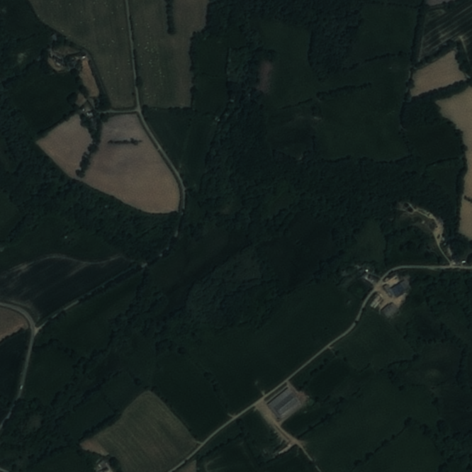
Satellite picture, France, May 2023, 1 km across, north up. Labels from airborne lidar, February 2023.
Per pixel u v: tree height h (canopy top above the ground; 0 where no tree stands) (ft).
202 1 0
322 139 0
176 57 0
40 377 0
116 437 0
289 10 43
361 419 0
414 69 25
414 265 0
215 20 59
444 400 0
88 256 0
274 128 0
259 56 77
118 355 0
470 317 47
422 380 0
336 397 0
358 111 0
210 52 0
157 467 0
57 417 31
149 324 49
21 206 37
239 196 31
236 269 22
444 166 20
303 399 0
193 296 23
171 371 0
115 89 0
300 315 0
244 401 0
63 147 0
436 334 0
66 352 52
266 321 29
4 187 60
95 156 0
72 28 0
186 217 42
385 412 0
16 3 0
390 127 0
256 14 50
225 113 31
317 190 60
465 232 0
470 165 0
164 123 0
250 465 0
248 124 60
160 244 34
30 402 29
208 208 48
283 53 0
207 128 0
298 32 0
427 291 39
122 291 0
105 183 0
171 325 28
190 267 0
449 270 24
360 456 0
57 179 33
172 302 0
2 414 0
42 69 56
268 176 58
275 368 0
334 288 0
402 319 0
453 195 0
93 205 31
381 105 0
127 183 0
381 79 0
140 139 0
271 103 0
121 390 0
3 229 0
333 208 55
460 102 0
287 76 0
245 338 0
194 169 0
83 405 42
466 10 0
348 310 0
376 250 0
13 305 0
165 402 30
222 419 0
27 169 59
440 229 0
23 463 0
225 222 54
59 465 0
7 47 38
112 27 0
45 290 0
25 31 0
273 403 0
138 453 0
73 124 0
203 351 0
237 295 57
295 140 0
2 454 0
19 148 37
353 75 0
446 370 0
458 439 50
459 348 35
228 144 43
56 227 0
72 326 0
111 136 0
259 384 0
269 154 28
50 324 46
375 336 0
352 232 22
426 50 0
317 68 37
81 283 0
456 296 47
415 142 0
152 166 0
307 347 0
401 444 0
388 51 0
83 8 0
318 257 0
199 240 64
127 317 33
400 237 46
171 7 38
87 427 0
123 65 0
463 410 0
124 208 21
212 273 24
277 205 0
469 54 0
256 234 45
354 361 0
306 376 0
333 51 35
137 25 0
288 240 0
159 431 0
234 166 30
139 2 0
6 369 0
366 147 0
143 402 0
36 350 53
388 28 0
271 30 0
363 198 58
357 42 0
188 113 54
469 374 0
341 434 0
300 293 0
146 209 0
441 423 52
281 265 0
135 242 52
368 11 0
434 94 62
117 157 0
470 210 0
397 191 68
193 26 0
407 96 39
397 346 0
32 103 0
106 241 35
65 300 0
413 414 0
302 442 0
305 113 0
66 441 34
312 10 35
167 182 0
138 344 0
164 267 0
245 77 41
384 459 0
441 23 0
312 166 51
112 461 40
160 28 0
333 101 0
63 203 31
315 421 0
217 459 0
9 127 34
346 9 50
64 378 0
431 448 0
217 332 21
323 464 0
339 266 38
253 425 0
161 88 0
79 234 0
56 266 0
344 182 72
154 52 0
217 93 0
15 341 0
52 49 27
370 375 0
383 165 49
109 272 0
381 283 0
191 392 0
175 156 0
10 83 68
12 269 0
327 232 0
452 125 44
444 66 0
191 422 0
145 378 0
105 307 0
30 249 0
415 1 0
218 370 0
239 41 0
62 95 0
